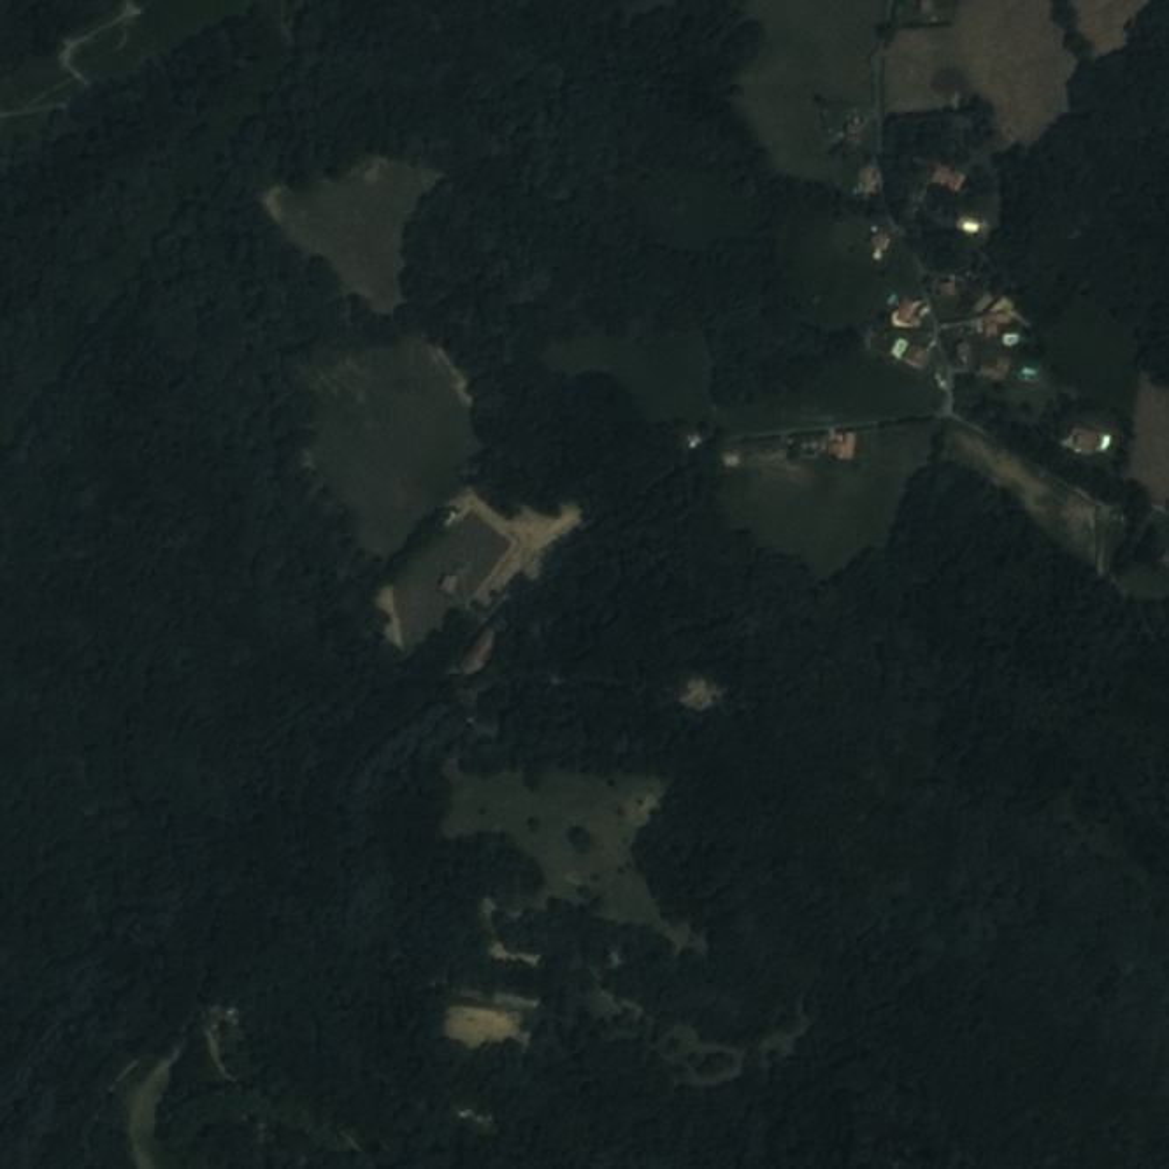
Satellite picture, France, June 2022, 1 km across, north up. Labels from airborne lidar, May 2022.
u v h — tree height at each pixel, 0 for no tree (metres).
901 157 20
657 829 12
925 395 0
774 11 0
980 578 15
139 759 26
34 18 32
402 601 0
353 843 28
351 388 0
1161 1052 26
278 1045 18
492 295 21
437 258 22
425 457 0
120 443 12
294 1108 28
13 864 13
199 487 13
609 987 13
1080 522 0
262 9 14
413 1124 21
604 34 10
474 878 25
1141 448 0
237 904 31
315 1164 21
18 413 0
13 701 25
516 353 23
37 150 25
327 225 0
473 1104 7
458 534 0
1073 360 0
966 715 25
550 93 24
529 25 18
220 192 17
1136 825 30
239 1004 15
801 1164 26
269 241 17
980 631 17
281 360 28
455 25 17
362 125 15
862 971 25
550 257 23
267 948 22
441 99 20
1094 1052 24
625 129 21
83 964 27
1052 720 7
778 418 0
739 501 0
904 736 25
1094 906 25
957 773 26
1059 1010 22
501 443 19
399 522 0
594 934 16
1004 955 22
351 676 19
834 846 23
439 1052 18
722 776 18
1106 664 28
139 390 13
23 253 23
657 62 18
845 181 0
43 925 15
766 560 21
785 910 24
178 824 27
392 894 26
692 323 17
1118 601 19
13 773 11
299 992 23
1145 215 25
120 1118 16
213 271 25
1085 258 21
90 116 34
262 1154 13
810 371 21
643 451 19
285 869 28
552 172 21
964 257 16
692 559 24
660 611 31
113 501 13
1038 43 0
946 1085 18
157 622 17
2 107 0
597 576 34
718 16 19
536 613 32
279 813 19
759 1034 17
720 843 17
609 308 21
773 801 17
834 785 19
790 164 0
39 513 17
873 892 26
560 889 0
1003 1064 20
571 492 22
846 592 19
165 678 16
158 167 18
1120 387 0
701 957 13
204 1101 30
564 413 23
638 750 15
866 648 21
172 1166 0
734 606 20
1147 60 21
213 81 31
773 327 21
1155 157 27
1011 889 30
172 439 12
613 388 24
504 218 18
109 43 0
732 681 30
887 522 0
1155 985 27
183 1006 28
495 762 17
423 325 23
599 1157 21
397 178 0
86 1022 28
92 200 29
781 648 16
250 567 14
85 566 13
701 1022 16
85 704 21
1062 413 20
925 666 28
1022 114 0
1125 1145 20
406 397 0
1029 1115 17
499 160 22
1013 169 24
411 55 18
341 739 23
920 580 16
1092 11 0
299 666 17
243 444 12
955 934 25
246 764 17
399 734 29
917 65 0
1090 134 26
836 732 16
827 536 0
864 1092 27
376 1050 15
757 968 18
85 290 11
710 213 0
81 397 21
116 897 26
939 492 20
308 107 20
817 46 0
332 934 33
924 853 19
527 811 0
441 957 26
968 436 0
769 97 0
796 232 0
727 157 17
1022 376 0
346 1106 21
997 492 15
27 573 16
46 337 16
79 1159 25
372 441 0
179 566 15
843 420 0
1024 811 18
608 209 19
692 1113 23
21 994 24
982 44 0
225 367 25
